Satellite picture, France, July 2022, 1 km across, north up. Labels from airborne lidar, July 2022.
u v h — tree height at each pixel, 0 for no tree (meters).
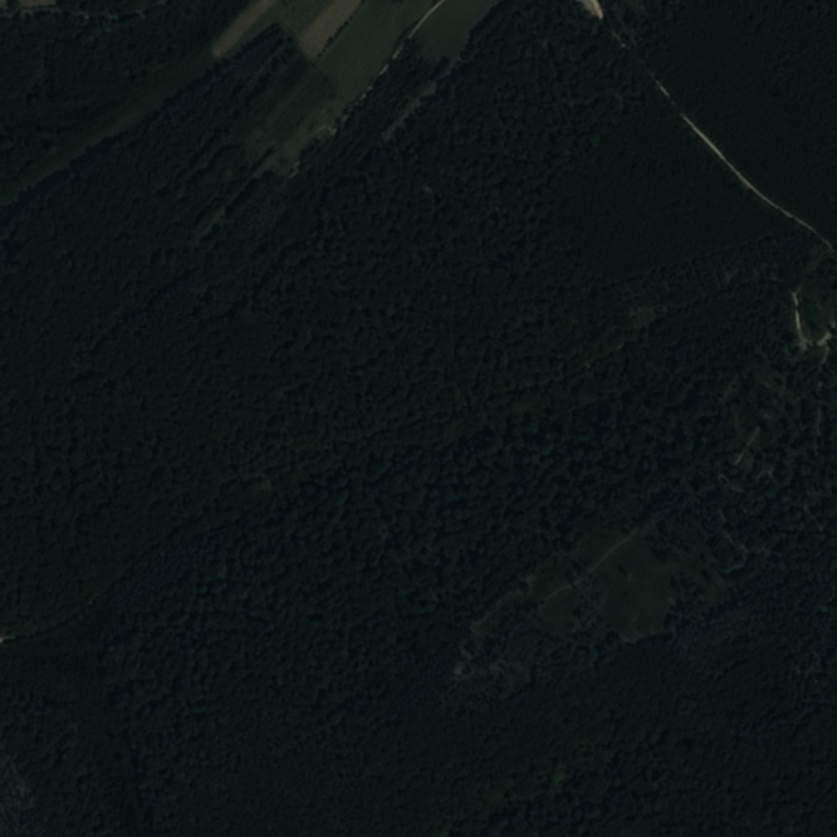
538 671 21
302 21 0
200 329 26
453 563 25
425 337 20
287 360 14
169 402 18
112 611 17
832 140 15
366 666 25
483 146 25
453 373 25
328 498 26
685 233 13
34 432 24
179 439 21
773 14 13
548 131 26
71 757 28
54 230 31
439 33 0
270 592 26
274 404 25
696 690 19
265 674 27
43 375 27
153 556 22
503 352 25
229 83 19
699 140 11
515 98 23
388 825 21
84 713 6
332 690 23
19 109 22
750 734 17
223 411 17
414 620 29
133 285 20
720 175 15
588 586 23
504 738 25
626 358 19
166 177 14
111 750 7
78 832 19
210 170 15
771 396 12
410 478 28
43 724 26
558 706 15
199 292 30
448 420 21
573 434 9
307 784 16
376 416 24
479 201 23
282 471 21
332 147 6
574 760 27
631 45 15
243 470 24
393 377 22
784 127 15
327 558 27
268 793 22
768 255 16
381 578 24
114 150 20
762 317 11
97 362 21
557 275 16
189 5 10
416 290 20
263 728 24
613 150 18
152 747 25
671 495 22
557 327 21
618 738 29
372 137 9
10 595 24
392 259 26
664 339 24
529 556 22
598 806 10
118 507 25
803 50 13
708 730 26
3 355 28
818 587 22
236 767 22
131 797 9
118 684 7
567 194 18
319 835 23
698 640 26
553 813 29
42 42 15
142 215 22
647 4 11
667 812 19
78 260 26
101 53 23
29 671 6
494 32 18
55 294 28
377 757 20
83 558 22
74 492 27
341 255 28
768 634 17
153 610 22
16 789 20
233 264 23
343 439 24
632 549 0
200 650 31
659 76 13
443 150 25
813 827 25
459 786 28
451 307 21
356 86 0
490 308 16
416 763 21
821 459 23
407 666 25
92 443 21
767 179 14
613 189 17
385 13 0
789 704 9
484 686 20
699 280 12
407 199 24
